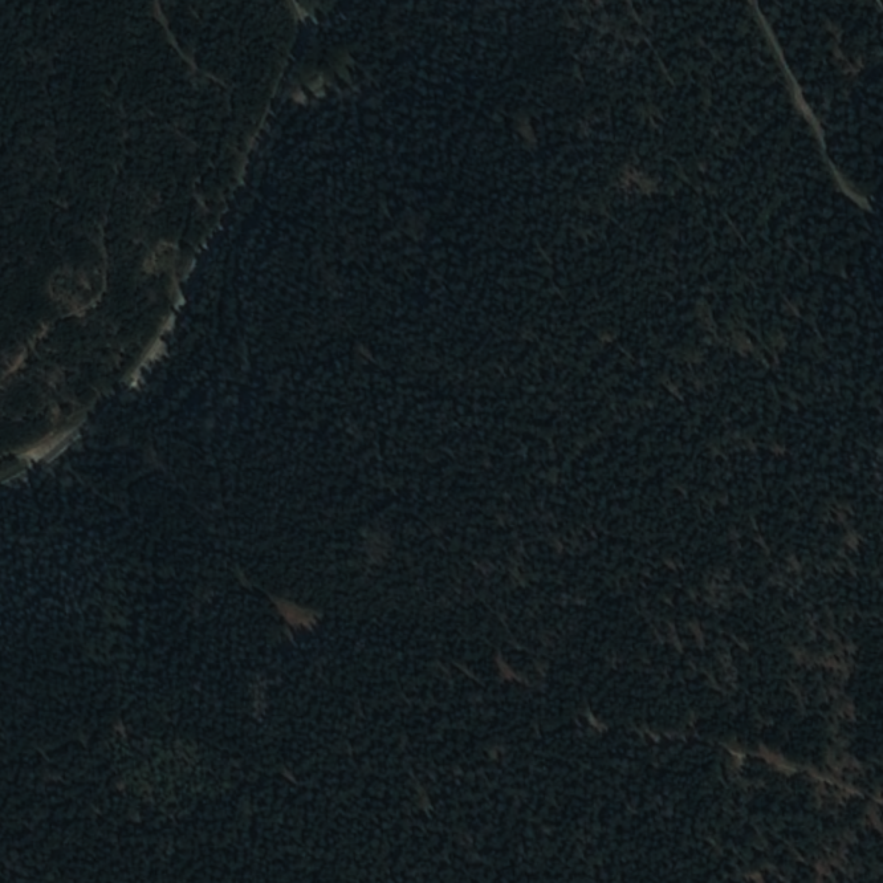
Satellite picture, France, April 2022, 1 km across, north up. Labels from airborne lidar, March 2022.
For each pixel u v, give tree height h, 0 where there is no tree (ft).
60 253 37
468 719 68
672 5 54
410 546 77
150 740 67
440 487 54
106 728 65
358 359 73
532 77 58
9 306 56
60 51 57
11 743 75
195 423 54
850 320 107
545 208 67
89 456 52
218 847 81
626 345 51
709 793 70
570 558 38
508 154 60
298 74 50
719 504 60
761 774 27
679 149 73
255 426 35
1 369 50
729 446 97
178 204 76
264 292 69
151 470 72
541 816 54
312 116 62
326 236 82
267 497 49
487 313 56
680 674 70
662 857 86
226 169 66
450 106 98
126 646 80
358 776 49
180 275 48
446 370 45
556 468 71
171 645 45
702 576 40
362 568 75
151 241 71
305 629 0
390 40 92
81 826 61
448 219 76
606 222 24
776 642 55
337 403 98
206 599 34
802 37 115
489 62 61
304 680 79
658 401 97
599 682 50
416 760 65
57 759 68
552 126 98
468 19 47
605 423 81
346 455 74
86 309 51
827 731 40
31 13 73
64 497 65
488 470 66
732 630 57
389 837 71
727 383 83
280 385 79
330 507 61
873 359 87
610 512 43
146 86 43
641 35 85
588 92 51
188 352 58
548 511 92
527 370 96
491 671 52
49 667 68
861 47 116
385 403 70
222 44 79
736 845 91
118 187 61
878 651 24
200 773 63
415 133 57
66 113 91
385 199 97
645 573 40
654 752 39
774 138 93
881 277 62
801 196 99
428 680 81
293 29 90
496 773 63
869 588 78
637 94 94
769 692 63
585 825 101
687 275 83
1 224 39
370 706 45
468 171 53
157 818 48
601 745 72
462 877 73
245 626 78
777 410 112
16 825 66
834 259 111
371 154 65
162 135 57
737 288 81
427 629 42
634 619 67
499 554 64
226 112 77
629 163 73
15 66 82
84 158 85
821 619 80
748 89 48
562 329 76
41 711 51
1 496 39
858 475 106
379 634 55
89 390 68
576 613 75
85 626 60
